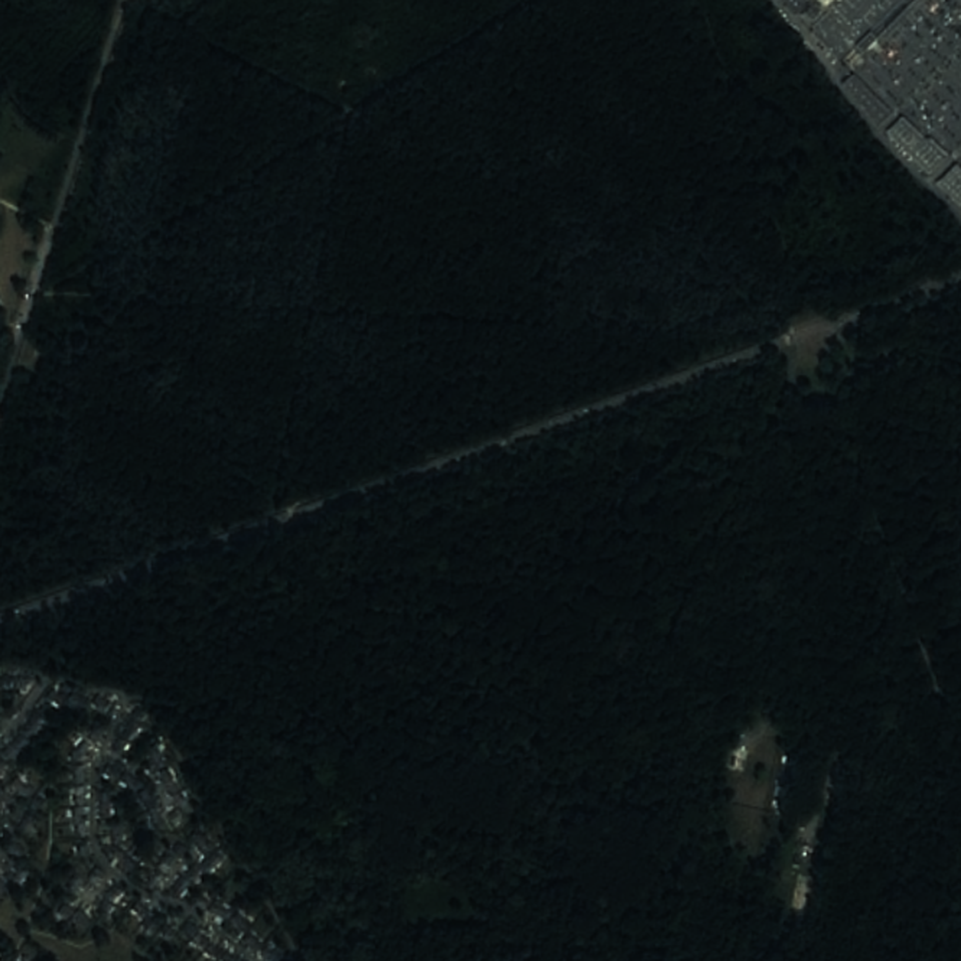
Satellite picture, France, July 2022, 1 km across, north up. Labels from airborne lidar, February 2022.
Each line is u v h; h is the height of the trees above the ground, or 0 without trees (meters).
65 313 0
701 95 24
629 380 20
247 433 19
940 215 9
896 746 22
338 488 17
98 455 20
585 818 31
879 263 10
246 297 19
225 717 23
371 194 19
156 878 0
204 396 25
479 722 29
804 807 28
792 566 14
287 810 25
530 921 22
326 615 22
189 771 20
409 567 27
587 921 34
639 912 29
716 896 19
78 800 0
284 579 17
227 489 19
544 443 8
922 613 25
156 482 20
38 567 20
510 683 21
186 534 19
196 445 21
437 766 36
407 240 20
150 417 23
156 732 9
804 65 16
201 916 11
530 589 29
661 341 23
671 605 20
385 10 0
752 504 22
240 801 26
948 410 24
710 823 22
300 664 22
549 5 21
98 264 15
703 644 26
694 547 19
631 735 23
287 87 20
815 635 22
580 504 23
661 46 21
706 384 14
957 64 0
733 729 16
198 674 21
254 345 25
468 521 16
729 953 21
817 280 15
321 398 24
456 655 24
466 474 13
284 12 6
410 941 19
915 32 0
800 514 22
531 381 25
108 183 27
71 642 27
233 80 21
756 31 23
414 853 34
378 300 19
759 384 19
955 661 19
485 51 25
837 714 25
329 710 22
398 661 22
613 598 30
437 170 21
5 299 0
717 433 19
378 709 28
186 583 22
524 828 16
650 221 25
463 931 17
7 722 0
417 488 20
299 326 20
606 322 18
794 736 20
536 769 28
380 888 18
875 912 22
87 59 8
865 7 0
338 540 25
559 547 20
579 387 21
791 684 20
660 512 29
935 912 27
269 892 20
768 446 19
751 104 25
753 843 0
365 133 19
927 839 26
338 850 18
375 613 30
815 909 21
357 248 18
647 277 25
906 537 28
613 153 21
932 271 19
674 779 24
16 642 11
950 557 19
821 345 0
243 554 29
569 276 21
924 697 20
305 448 23
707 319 24
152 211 30
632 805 30
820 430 20
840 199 7
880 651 17
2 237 0
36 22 10
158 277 20
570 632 28
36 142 0
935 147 0
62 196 0
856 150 9
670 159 19
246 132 21
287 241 21
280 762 30
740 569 21
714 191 22
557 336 16
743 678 21
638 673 22
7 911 0
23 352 0
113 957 0
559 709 21
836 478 19
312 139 16
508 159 19
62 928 13
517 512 23
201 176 26
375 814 30
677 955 17
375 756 33
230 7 7
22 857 8
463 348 25
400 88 17
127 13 9
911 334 18
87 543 22
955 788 26
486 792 37
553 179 20
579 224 26
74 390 23
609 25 21
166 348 24
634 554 27
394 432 20
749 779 0
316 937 21
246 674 22
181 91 30
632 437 14
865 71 0
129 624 28
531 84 21
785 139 26
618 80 22
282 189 19
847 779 26
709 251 23
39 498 18
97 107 12
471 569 28
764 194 24
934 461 22
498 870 26
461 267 19
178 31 16
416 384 21
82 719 13
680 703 23
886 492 28
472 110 22
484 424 23
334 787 15
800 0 0
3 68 6
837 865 26
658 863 36
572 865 31
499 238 19
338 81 0
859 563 21
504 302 18
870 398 28
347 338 13
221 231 23
